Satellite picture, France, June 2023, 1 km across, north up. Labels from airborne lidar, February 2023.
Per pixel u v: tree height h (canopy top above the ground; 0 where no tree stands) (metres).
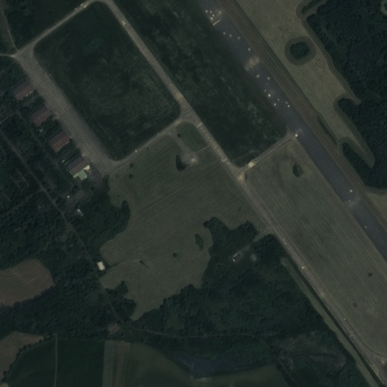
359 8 8
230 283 6
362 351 0
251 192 0
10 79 9
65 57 0
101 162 0
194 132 0
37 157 11
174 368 0
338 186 0
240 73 0
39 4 0
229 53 0
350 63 13
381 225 0
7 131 13
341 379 5
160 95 0
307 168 0
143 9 0
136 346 0
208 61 0
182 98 0
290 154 0
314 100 0
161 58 0
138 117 0
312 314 6
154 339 9
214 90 0
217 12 0
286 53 0
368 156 0
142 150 0
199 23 0
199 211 0
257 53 0
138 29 0
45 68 0
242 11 0
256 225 0
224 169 0
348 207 0
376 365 0
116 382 0
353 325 0
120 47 0
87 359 0
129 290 0
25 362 0
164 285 0
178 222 0
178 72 0
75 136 0
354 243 0
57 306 10
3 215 15
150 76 0
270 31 0
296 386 7
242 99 0
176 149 0
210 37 0
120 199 0
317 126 0
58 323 7
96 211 6
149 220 0
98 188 0
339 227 0
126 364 0
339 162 0
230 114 0
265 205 0
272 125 0
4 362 0
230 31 0
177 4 0
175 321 0
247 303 8
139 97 0
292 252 0
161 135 0
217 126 0
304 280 0
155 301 0
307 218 0
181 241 0
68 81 0
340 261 0
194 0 0
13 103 11
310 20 16
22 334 0
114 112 0
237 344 6
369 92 0
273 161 0
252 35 0
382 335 0
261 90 0
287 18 0
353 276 0
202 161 0
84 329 6
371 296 0
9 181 6
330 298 0
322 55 0
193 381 0
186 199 0
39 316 7
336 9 29
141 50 0
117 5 0
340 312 0
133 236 0
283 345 0
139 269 0
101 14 0
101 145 0
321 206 0
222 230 0
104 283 0
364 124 15
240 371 0
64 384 0
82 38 0
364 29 31
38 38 0
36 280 0
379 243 0
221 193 0
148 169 0
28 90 0
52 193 12
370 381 0
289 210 0
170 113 0
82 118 0
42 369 0
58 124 17
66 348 0
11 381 0
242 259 0
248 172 0
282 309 5
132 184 0
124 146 0
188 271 0
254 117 0
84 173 0
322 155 0
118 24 0
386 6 0
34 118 0
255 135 0
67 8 0
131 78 0
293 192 0
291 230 0
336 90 0
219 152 0
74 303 8
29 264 0
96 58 0
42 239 8
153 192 0
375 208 0
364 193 0
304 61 0
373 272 0
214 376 0
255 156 0
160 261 0
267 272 0
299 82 0
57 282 9
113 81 0
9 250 6
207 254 0
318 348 0
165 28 0
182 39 0
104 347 0
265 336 7
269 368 0
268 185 0
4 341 0
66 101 0
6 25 0
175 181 0
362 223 0
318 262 0
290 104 0
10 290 0
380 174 17
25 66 0
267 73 0
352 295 0
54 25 0
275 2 0
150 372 0
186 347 0
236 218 0
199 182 0
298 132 0
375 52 22
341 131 0
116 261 0
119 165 0
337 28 25
